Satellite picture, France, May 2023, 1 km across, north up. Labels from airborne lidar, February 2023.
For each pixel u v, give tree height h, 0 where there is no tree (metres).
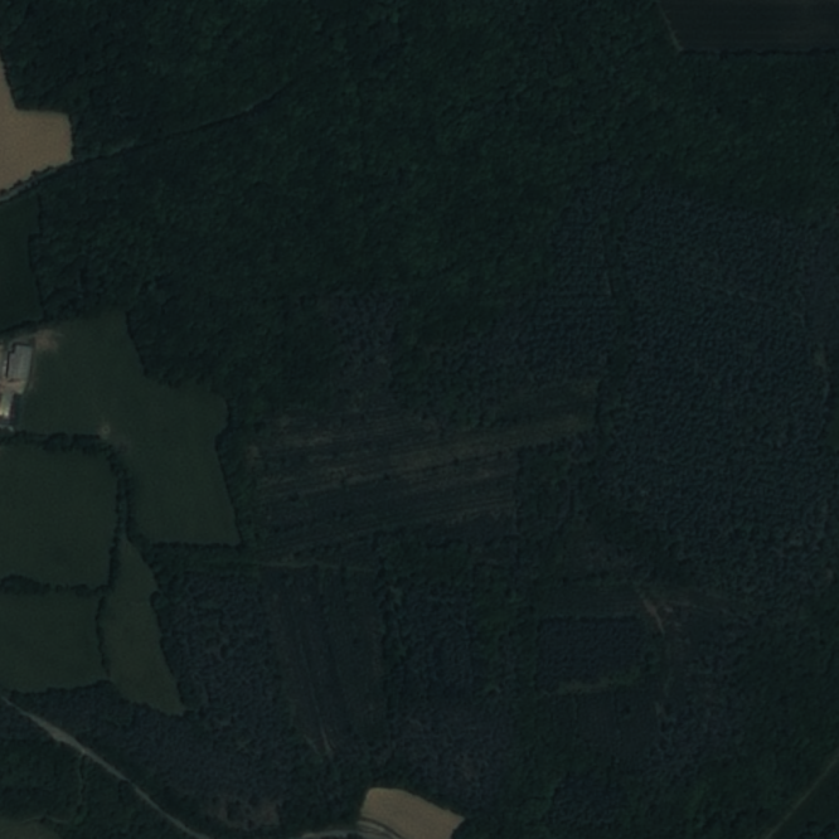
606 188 17
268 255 15
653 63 18
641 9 17
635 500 18
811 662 14
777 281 18
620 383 21
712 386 23
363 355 14
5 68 11
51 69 18
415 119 15
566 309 14
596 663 20
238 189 17
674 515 26
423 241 18
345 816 22
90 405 0
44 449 13
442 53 17
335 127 18
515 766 12
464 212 17
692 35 0
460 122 17
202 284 20
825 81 13
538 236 10
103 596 10
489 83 17
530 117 14
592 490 14
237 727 17
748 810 19
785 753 14
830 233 14
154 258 20
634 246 17
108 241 17
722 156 16
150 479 0
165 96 17
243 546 13
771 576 15
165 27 17
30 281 0
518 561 15
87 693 15
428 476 0
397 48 15
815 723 14
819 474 18
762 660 11
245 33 16
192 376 18
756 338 21
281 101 18
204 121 14
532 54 14
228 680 17
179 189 16
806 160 20
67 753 13
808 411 18
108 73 21
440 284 14
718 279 9
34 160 0
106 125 17
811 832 11
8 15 19
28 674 0
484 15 17
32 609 0
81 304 19
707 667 19
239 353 21
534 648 17
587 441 22
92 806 7
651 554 10
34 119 0
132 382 0
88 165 14
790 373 27
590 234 19
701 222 19
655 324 21
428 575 19
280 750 14
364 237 15
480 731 12
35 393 0
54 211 17
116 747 7
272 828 6
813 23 0
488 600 15
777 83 17
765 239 24
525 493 15
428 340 10
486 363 19
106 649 6
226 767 19
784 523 23
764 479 8
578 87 14
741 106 19
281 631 0
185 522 0
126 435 0
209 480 0
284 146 18
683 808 16
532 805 19
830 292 14
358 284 10
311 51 20
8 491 0
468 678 21
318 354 12
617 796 26
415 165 17
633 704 6
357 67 24
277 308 11
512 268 16
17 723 21
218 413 0
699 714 20
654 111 15
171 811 16
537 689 20
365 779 17
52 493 0
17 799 19
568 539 9
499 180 15
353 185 19
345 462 0
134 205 19
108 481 0
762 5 0
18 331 12
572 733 15
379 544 18
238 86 14
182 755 19
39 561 0
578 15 23
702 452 23
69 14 17
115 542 10
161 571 14
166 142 16
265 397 20
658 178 15
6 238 0
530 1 15
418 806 0
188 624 18
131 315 17
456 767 18
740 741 15
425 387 12
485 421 20
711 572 19
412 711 11
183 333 22
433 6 15
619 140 17
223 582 21
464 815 15
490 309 15
